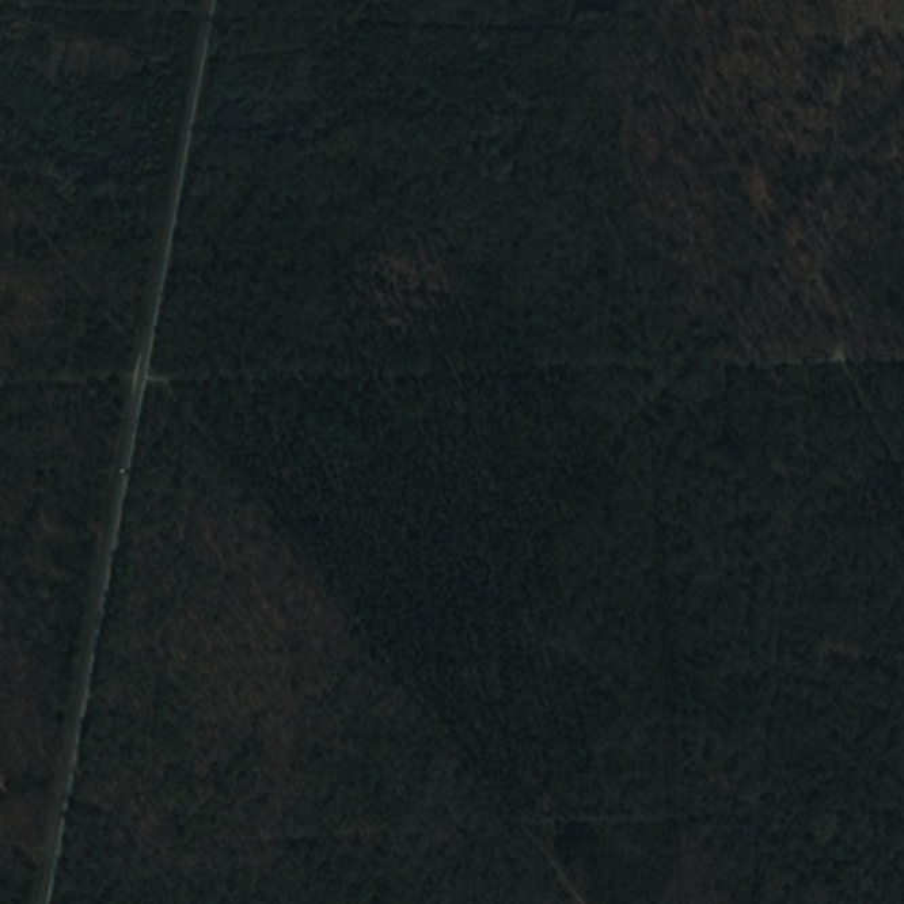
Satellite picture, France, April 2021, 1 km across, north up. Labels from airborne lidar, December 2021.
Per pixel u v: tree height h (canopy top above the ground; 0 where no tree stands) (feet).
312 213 74
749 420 73
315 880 92
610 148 40
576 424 77
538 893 63
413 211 72
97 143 24
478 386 78
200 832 67
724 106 85
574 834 43
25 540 21
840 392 65
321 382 82
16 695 85
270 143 39
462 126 72
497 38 57
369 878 73
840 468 72
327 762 60
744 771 58
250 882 59
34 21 38
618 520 79
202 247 55
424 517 90
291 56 21
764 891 62
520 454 84
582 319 76
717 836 66
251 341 64
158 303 0
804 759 42
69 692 61
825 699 59
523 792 72
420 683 92
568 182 68
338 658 70
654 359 75
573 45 58
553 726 67
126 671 75
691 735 55
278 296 72
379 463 70
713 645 74
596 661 75
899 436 59
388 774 68
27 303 65
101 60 0
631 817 42
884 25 0
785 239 89
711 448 65
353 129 85
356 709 61
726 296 26
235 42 85
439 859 80
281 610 101
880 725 90
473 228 63
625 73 81
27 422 50
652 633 44
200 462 72
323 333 71
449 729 87
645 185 93
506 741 60
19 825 49
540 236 79
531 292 82
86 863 80
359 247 83
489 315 74
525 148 89
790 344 88
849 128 69
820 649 67
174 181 0
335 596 88
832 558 80
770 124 0
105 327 33
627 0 54
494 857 52
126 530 35
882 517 79
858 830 85
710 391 58
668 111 77
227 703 58
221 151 57
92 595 40
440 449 72
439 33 61
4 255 71
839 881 69
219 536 83
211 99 22
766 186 0
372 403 84
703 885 52
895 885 70
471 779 59
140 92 28
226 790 58
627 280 57
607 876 28
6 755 65
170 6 85
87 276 55
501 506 69
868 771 55
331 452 83
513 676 86
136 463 30
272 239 79
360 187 73
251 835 63
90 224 62
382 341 94
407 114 63
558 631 84
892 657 22
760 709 84
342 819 67
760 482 81
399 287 0
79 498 57
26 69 19
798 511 79
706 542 62
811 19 0
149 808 73
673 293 70
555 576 85
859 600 51
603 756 73
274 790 65
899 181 85
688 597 84
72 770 0
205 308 70
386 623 81
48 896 0
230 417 96
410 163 70
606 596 75
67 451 53
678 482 76
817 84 20
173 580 84
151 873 76
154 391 26
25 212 62
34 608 82
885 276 86
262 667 83
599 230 77
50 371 54
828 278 81
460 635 66
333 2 78
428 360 75
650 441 73
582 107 72
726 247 72
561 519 85
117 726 81
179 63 35
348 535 99
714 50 29
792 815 64
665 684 24
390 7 52
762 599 81
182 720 67
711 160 100
